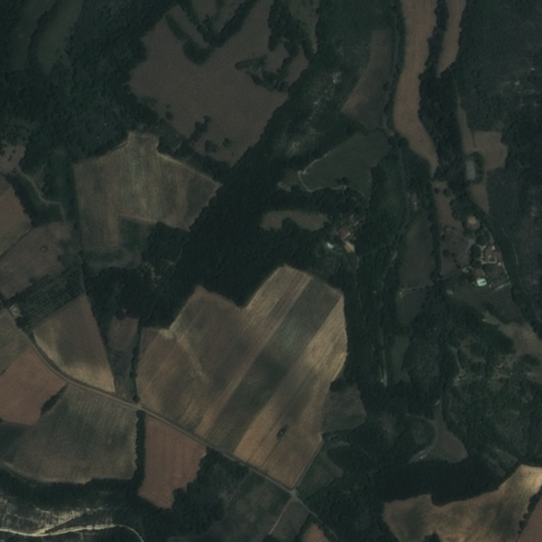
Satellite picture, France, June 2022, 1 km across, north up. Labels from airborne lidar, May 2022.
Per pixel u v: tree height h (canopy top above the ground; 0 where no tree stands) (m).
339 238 7
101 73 7
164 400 0
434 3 0
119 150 0
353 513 14
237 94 0
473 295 0
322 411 0
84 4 6
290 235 10
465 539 0
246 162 15
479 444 12
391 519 0
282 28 13
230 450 0
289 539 0
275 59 0
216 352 0
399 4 10
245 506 0
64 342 0
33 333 0
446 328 6
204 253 21
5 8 17
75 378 0
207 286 18
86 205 0
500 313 7
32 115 16
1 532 7
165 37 0
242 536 0
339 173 0
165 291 10
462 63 8
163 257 13
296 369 0
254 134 0
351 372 11
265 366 0
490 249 0
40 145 13
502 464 9
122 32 14
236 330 0
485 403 9
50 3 0
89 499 9
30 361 0
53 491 15
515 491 0
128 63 14
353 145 0
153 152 0
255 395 0
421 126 0
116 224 0
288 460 0
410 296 0
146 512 6
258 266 15
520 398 7
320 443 0
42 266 0
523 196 8
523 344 0
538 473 0
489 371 9
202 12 0
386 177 7
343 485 10
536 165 11
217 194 12
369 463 13
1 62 18
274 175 20
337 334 0
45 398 0
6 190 0
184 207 0
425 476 13
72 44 8
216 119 0
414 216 6
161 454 0
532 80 11
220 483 8
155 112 12
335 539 5
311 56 13
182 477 0
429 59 10
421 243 0
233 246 21
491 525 0
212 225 17
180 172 0
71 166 9
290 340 0
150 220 0
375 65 0
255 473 0
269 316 0
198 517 13
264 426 0
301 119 9
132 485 15
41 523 0
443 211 0
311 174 0
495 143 0
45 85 9
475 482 20
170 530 15
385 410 8
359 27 8
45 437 0
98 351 0
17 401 0
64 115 10
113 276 16
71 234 0
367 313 17
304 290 0
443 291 14
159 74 0
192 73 0
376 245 11
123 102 13
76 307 0
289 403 0
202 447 0
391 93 10
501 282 0
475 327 13
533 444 6
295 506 0
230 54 0
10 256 0
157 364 0
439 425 0
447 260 0
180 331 0
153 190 0
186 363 0
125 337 0
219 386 0
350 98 0
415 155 6
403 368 9
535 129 7
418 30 0
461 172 17
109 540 9
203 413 0
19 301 9
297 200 19
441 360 8
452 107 16
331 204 18
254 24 0
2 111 17
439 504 12
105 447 0
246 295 14
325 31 10
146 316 11
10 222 0
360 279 13
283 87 14
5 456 0
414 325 18
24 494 12
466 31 13
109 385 0
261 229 9
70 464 0
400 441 14
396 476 18
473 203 8
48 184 13
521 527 8
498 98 8
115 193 0
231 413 0
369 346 8
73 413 0
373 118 0
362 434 15
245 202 19
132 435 0
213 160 14
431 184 12
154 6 14
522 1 9
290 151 0
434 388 8
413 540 0
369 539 6
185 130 0
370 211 9
